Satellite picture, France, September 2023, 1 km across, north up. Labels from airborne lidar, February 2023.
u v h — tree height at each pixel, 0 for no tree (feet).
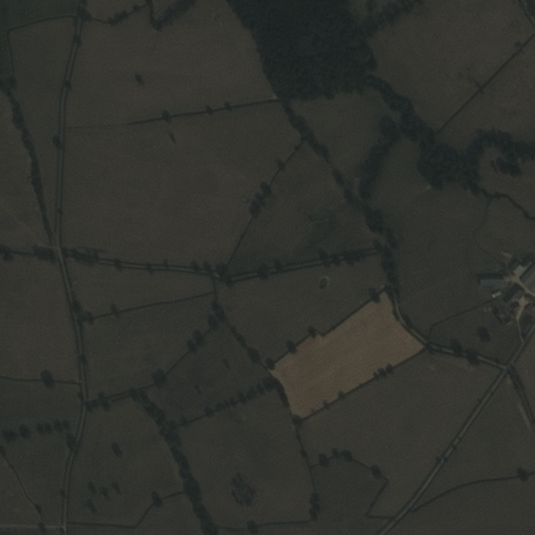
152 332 0
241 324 0
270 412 0
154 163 0
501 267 0
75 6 0
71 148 0
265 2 67
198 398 0
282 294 0
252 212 45
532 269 0
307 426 0
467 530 0
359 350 0
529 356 0
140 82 35
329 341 0
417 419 0
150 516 0
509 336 0
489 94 0
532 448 0
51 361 0
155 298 0
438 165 55
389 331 0
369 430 0
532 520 0
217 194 0
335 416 0
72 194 0
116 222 0
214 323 62
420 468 0
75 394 0
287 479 0
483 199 0
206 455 0
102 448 0
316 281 0
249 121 0
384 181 0
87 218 0
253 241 0
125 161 0
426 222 0
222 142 0
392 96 47
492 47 0
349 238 0
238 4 62
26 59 0
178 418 0
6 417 0
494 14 0
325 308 0
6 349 0
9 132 0
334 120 0
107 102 0
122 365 0
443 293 0
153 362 0
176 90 0
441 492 0
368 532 0
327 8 83
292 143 0
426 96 0
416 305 0
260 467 0
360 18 0
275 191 0
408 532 0
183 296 0
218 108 0
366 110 0
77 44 33
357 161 0
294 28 63
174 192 0
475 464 0
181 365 0
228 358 0
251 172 0
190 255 0
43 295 0
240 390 0
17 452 0
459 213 0
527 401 0
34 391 0
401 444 0
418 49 0
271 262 0
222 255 0
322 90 49
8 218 0
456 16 0
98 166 0
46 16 0
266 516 0
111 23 39
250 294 0
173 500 0
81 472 0
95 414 0
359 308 0
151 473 0
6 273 0
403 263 0
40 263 0
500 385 0
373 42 0
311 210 0
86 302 0
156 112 0
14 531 0
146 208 0
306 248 0
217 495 0
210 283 0
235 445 0
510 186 0
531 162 0
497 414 0
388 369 28
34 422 0
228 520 0
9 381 0
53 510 0
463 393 0
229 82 0
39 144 0
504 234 0
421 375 0
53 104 0
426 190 0
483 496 0
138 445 0
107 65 0
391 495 0
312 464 0
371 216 75
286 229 0
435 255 0
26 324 0
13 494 0
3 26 0
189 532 0
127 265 0
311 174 0
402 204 0
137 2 0
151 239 0
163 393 0
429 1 0
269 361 31
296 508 0
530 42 0
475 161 69
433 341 0
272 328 0
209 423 0
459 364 0
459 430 0
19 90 0
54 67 0
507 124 0
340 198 0
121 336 0
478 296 0
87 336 0
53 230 0
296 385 0
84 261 46
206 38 0
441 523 0
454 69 0
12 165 0
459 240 0
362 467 0
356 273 0
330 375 0
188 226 0
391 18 66
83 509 0
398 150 0
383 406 0
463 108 0
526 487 0
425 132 55
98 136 0
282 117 0
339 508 0
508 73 0
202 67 0
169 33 0
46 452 0
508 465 0
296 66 65
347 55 79
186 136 0
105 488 0
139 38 0
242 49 0
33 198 0
